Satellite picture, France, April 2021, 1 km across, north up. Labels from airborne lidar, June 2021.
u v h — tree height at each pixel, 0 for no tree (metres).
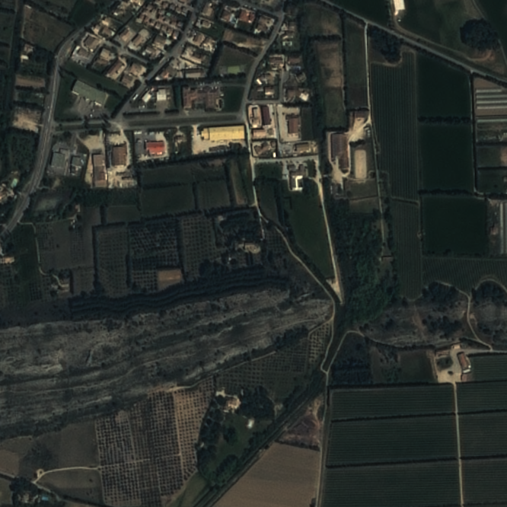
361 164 0
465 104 0
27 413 0
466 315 0
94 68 6
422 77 0
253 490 0
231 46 13
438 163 0
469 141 0
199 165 0
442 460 11
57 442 0
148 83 12
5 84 6
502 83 10
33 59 11
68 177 0
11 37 0
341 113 0
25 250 0
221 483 8
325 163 10
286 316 0
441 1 0
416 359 0
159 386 0
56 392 0
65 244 0
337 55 0
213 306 9
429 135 0
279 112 0
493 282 0
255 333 0
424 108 0
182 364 0
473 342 13
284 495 0
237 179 0
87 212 0
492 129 0
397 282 18
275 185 9
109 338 0
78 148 0
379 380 0
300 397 6
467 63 0
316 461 0
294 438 0
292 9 13
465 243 0
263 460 0
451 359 8
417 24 0
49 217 6
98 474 0
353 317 11
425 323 13
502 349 0
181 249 14
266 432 6
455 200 0
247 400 14
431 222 0
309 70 6
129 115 9
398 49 18
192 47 6
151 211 0
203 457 20
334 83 0
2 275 7
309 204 0
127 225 7
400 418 13
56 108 0
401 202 8
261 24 0
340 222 8
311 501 0
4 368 0
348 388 13
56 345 0
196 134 0
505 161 0
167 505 0
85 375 0
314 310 0
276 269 12
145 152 0
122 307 14
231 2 9
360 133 0
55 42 0
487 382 8
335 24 0
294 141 0
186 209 0
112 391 0
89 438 0
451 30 0
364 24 15
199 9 12
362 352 17
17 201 11
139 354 0
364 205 0
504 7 0
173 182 0
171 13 12
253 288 12
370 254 8
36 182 0
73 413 0
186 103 0
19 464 0
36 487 15
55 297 11
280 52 8
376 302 12
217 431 20
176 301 11
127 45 0
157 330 0
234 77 14
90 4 0
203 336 0
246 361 12
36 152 12
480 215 0
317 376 7
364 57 0
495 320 0
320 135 7
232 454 0
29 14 0
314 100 9
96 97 0
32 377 0
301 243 0
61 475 0
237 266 11
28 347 0
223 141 0
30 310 0
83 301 14
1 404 0
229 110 0
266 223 8
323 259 0
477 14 0
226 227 16
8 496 0
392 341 0
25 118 0
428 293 17
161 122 0
